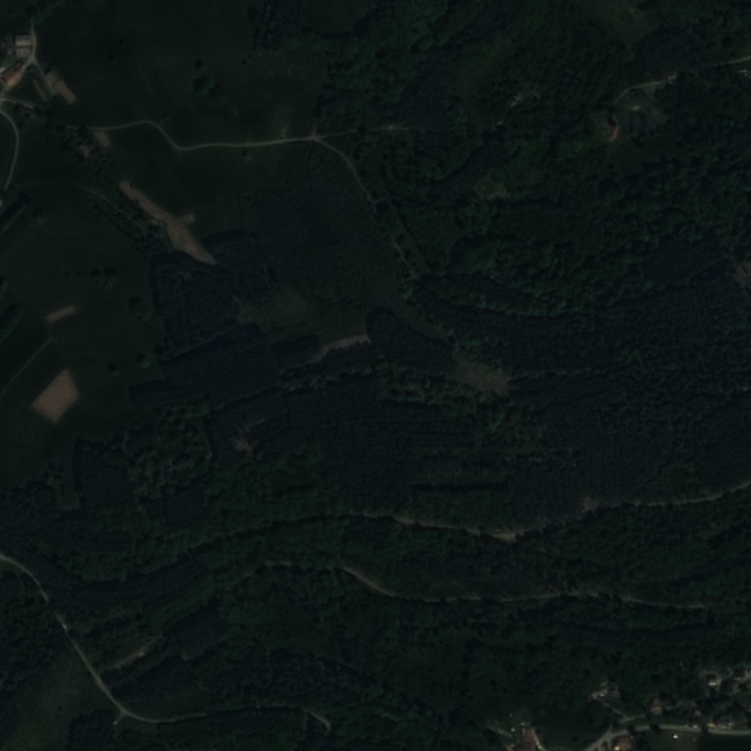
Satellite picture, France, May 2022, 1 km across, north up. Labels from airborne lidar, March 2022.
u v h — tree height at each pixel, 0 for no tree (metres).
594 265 20
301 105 0
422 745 20
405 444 20
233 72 0
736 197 26
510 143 18
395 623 23
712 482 18
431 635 27
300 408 22
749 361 12
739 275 0
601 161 13
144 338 0
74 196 0
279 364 25
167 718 0
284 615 7
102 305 0
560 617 27
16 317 10
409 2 21
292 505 26
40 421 0
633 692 14
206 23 0
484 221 25
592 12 0
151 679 25
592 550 22
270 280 24
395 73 29
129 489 24
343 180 6
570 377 13
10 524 28
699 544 23
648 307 30
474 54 32
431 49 28
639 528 17
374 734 16
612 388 17
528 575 20
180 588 27
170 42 0
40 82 0
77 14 0
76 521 25
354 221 6
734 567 26
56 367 0
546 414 21
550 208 16
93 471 24
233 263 23
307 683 33
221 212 0
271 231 7
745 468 24
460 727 20
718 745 0
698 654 13
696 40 23
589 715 0
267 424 16
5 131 0
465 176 33
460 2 20
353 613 31
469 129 20
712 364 17
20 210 7
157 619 17
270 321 0
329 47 21
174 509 22
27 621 19
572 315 19
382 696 27
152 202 0
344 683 27
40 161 0
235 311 28
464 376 0
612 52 24
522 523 22
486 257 23
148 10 0
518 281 16
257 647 28
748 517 15
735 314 27
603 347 21
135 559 12
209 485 18
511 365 18
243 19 0
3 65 0
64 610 24
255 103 0
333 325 0
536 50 9
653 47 33
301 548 26
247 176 0
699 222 13
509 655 12
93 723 11
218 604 24
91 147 8
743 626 21
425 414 20
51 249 0
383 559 21
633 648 16
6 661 25
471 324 23
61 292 0
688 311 30
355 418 23
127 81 0
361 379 20
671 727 0
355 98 22
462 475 23
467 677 17
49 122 12
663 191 17
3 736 23
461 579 19
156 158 0
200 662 20
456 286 23
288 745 18
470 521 17
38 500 22
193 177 0
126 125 0
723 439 22
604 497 23
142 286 0
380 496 23
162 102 0
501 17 27
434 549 20
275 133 0
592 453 21
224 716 16
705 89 9
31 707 0
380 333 24
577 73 8
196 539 19
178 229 0
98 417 0
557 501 23
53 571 24
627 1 0
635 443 22
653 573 23
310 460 17
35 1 0
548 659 16
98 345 0
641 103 0
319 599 27
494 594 16
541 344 20
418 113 30
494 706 0
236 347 25
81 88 0
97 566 11
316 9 0
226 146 0
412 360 14
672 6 30
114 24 0
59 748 0
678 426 17
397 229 20
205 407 14
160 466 11
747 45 23
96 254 0
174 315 18
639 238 11
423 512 20
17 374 0
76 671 0
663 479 11
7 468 0
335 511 24
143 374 0
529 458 8
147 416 0
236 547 26
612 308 25
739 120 12
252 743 18
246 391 25
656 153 0
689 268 22
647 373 8
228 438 23
